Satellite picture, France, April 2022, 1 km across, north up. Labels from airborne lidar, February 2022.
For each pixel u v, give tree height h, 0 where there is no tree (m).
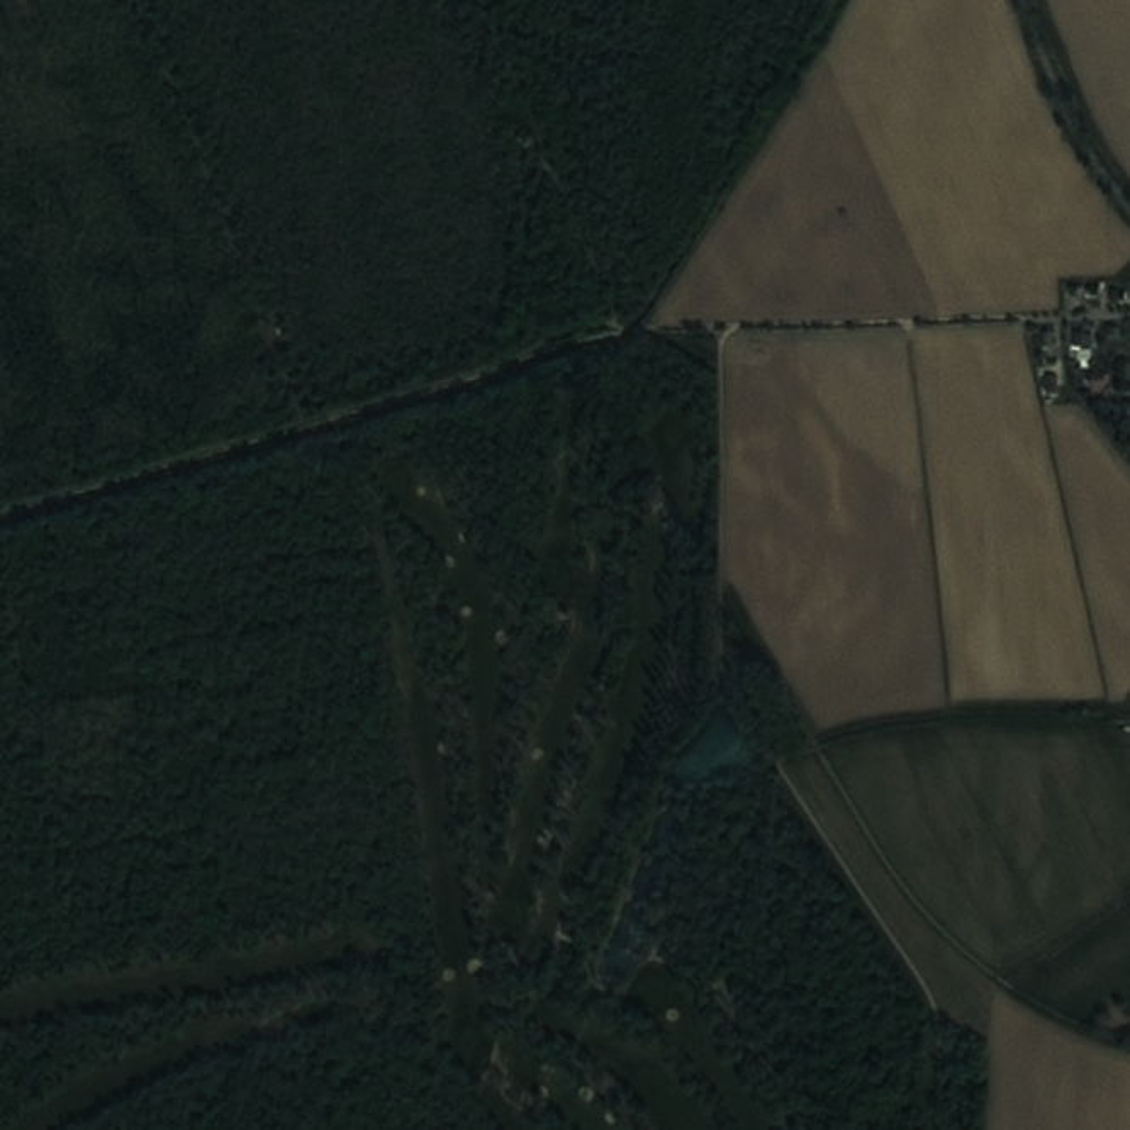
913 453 0
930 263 0
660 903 24
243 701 18
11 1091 17
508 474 20
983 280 0
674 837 8
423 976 23
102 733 20
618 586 18
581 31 20
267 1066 14
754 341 0
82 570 17
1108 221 0
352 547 14
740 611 0
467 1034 0
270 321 10
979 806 0
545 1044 22
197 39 16
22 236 15
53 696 8
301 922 17
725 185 7
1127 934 0
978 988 0
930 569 0
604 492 17
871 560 0
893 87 0
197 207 12
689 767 0
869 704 0
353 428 18
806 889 17
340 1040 18
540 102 15
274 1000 19
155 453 19
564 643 20
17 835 16
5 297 16
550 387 21
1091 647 0
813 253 0
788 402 0
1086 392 6
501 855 16
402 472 0
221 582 17
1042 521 0
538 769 0
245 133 12
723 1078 0
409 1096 18
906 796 0
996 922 0
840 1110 16
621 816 23
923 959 0
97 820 16
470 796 15
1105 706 0
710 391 13
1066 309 0
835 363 0
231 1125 21
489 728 0
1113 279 0
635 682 0
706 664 31
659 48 10
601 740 17
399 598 0
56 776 16
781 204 0
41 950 17
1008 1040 0
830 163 0
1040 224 0
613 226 14
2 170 14
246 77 12
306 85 14
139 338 15
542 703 18
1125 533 0
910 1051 24
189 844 16
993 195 0
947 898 0
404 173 12
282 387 14
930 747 0
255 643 19
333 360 15
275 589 17
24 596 15
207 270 9
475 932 22
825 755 0
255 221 12
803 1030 13
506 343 19
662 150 9
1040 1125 0
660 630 0
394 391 17
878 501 0
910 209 0
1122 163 0
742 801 17
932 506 0
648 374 20
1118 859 0
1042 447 0
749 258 0
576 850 0
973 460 0
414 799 18
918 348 0
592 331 6
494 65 15
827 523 0
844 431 0
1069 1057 0
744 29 14
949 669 0
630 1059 0
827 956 23
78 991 0
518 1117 0
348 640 13
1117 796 0
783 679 35
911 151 0
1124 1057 0
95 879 12
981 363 0
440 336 15
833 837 0
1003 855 0
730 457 0
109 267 12
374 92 13
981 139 0
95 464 18
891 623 0
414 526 21
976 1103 19
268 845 16
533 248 19
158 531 17
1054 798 0
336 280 14
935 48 0
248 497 19
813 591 0
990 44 0
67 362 13
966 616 0
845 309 0
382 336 12
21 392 14
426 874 18
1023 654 0
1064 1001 0
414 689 0
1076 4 0
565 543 0
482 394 13
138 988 0
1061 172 0
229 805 19
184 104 17
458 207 12
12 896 16
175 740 18
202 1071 16
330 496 17
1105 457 0
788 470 0
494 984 17
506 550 16
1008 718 0
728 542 0
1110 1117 0
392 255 14
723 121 14
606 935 20
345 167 15
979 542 0
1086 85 0
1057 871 0
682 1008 0
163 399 17
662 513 0
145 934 19
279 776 16
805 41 18
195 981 0
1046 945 0
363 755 16
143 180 10
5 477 16
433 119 10
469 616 0
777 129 0
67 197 21
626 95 14
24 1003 0
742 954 23
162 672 18
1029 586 0
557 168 18
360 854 18
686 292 0
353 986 18
